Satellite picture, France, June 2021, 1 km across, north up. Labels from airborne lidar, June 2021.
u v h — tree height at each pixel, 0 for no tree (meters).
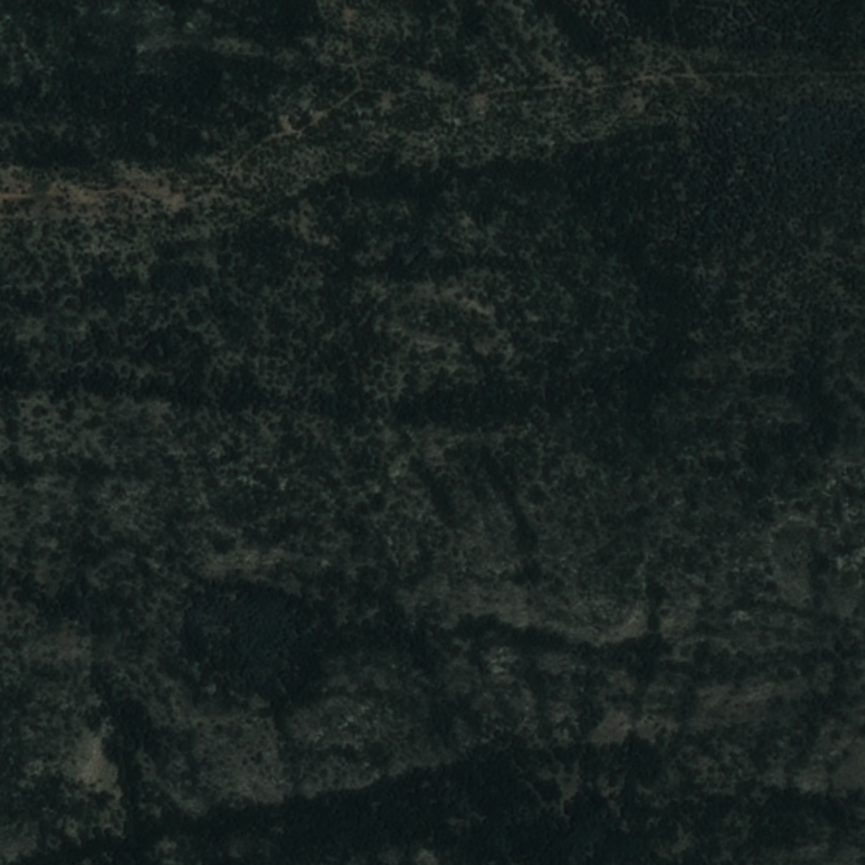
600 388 9
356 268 8
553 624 0
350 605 6
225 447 7
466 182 6
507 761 10
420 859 0
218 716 0
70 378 9
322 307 6
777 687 0
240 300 7
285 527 6
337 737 0
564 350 8
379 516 0
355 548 6
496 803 11
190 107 9
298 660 12
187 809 0
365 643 6
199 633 8
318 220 6
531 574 7
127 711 7
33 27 6
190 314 10
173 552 6
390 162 7
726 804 8
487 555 0
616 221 6
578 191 6
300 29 7
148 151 7
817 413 8
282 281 8
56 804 6
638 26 8
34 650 0
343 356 7
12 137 7
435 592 0
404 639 8
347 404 8
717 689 0
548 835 10
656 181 8
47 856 8
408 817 9
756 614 0
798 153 9
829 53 10
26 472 6
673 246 8
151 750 6
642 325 7
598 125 0
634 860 7
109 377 8
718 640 0
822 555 7
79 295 8
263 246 6
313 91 7
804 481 8
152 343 10
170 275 11
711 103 10
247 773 0
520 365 6
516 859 8
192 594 7
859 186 6
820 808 7
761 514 7
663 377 6
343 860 8
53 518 6
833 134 7
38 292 8
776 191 7
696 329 6
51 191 0
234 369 6
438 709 6
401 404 8
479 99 0
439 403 9
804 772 0
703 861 6
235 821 9
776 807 9
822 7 7
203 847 5
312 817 6
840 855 0
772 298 6
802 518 0
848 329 8
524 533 6
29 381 6
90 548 6
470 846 7
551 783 6
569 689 0
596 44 10
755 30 12
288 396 7
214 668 7
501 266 6
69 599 10
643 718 0
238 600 8
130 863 11
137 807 7
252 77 7
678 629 0
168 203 0
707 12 9
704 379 6
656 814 8
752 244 7
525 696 0
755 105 9
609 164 7
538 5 6
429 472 6
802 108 10
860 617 0
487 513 0
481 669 6
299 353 7
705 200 10
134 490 0
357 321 7
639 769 6
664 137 8
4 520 0
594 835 15
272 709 6
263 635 7
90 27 7
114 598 5
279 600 8
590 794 8
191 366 7
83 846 8
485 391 8
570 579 0
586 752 8
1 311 6
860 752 0
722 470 7
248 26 6
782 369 6
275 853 6
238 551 0
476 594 0
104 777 0
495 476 7
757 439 6
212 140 8
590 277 6
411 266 9
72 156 8
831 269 10
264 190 7
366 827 10
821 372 9
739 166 8
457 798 10
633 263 9
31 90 9
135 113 8
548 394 9
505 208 6
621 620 0
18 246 6
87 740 0
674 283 9
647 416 7
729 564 0
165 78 7
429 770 7
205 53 7
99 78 7
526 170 6
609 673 0
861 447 0
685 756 5
